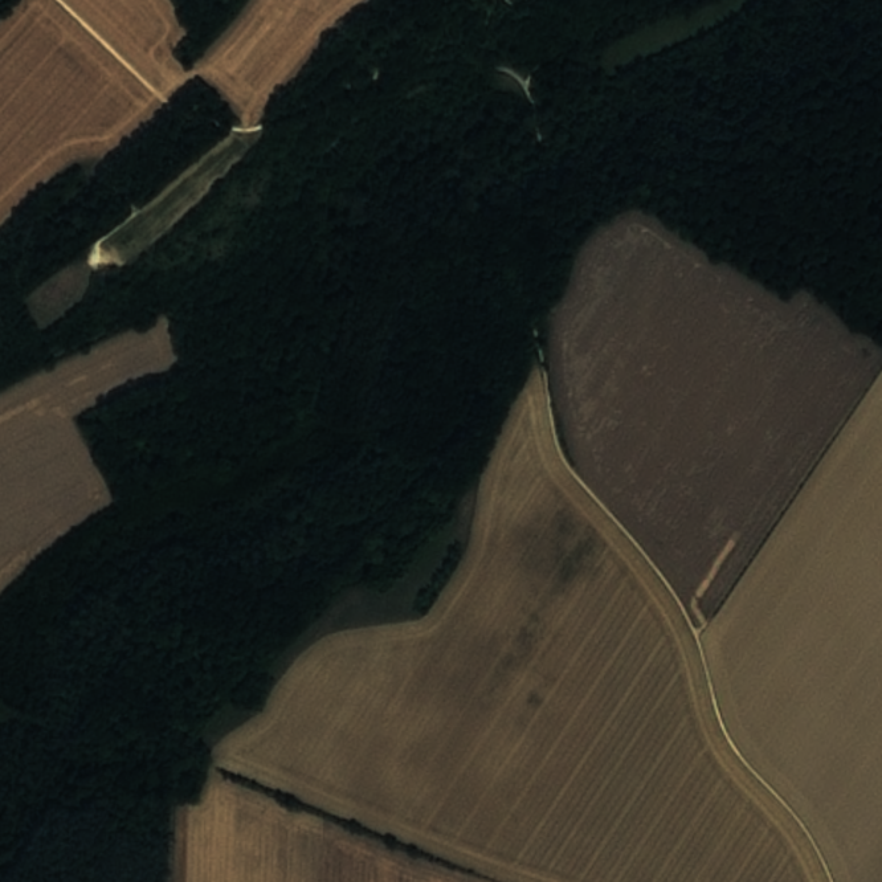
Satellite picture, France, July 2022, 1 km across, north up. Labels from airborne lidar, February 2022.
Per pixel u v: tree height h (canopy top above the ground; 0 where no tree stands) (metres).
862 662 0
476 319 23
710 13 0
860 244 27
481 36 15
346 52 23
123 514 8
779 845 0
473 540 0
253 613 22
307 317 11
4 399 0
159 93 0
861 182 26
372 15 18
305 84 12
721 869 0
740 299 0
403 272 27
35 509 0
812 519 0
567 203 22
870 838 0
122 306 15
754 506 0
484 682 0
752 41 13
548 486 0
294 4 0
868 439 0
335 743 0
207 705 9
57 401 0
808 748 0
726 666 0
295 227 22
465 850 0
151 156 18
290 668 0
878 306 20
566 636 0
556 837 0
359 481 20
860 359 0
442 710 0
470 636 0
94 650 22
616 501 0
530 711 0
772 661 0
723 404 0
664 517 0
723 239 19
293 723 0
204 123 18
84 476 0
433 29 15
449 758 0
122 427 21
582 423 0
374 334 26
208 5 16
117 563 11
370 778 0
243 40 0
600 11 19
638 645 0
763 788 0
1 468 0
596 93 19
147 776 21
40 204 13
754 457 0
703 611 0
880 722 0
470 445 20
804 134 21
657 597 0
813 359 0
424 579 0
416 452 22
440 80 9
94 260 0
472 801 0
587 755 0
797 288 17
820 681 0
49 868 21
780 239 22
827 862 0
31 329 17
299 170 12
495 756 0
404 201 20
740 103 10
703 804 0
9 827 19
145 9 0
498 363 21
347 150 11
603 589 0
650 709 0
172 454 18
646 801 0
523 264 18
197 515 8
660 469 0
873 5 15
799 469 0
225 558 24
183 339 20
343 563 23
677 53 9
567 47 18
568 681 0
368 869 0
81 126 0
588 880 0
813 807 0
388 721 0
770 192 18
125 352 0
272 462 8
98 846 23
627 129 12
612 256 0
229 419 23
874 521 0
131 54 0
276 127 17
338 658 0
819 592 0
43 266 16
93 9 0
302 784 0
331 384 33
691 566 0
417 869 0
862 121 25
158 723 22
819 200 23
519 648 0
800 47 12
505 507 0
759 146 21
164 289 15
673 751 0
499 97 7
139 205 8
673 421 0
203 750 20
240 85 0
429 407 22
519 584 0
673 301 0
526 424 0
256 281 19
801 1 22
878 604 0
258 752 0
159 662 20
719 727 0
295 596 20
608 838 0
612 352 0
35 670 18
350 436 10
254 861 0
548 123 21
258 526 11
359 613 0
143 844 21
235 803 0
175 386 18
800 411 0
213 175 0
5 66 0
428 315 26
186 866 0
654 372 0
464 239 23
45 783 13
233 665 14
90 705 24
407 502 21
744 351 0
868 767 0
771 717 0
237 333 20
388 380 26
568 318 0
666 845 0
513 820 0
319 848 0
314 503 20
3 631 7
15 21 0
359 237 23
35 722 10
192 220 10
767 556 0
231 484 7
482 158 18
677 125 10
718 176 20
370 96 19
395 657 0
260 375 19
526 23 18
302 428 16
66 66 0
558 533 0
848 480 0
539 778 0
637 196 18
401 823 0
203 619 19
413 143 22
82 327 11
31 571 8
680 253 0
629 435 0
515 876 0
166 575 12
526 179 16
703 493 0
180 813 0
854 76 19
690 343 0
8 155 0
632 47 0
